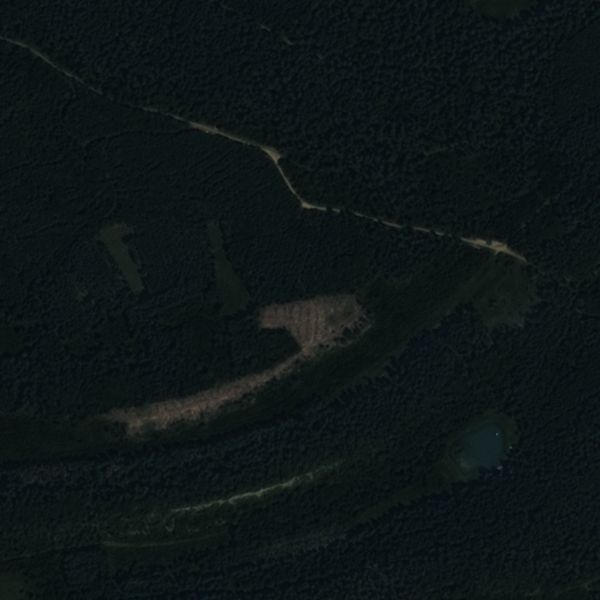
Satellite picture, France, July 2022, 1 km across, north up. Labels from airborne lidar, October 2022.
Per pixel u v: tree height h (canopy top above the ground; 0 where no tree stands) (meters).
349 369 7
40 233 16
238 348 26
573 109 14
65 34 32
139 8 30
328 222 23
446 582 22
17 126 14
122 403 12
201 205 11
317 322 0
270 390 7
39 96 8
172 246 24
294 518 33
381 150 29
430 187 7
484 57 35
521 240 17
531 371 30
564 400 16
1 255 11
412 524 19
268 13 28
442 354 31
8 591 0
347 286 17
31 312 19
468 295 0
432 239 8
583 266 19
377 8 28
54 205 14
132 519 8
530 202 15
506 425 0
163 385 25
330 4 29
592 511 30
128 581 36
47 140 16
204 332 10
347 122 34
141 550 5
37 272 17
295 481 8
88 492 30
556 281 6
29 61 18
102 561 31
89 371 20
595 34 14
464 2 21
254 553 17
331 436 22
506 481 31
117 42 32
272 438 26
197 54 29
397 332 6
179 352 24
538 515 27
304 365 6
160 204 15
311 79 35
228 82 32
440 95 24
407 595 18
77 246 28
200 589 17
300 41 27
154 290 23
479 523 35
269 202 17
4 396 18
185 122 9
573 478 21
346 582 13
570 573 17
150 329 24
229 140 14
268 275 22
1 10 22
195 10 29
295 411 8
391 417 24
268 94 27
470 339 27
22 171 15
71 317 26
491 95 31
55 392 23
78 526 8
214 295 21
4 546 8
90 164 21
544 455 24
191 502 14
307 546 17
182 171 15
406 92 32
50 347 25
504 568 20
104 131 13
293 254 19
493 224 18
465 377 18
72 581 31
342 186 10
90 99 15
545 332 33
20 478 39
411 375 31
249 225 19
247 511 24
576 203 14
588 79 12
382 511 0
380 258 26
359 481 31
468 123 28
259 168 15
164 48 22
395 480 30
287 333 20
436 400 18
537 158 17
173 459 35
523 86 25
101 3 29
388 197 14
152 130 10
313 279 20
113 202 17
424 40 31
